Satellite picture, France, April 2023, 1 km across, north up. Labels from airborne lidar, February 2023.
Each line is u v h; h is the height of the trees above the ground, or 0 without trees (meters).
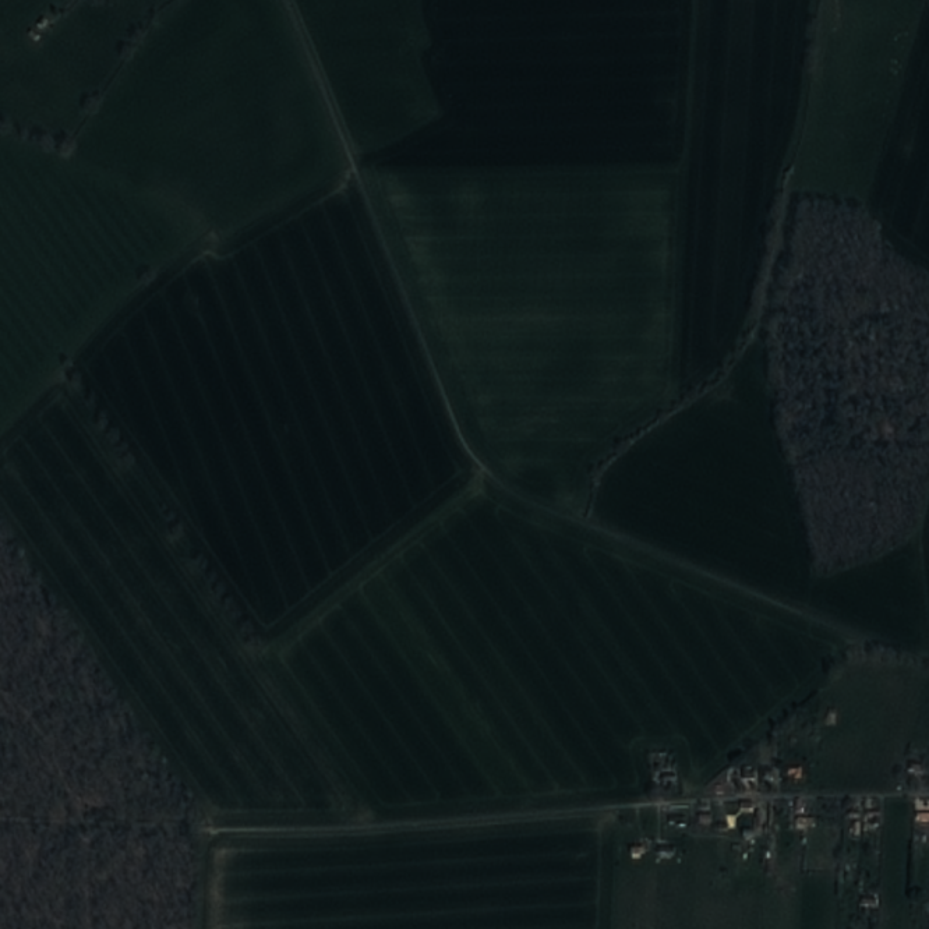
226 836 0
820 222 21
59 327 0
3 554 21
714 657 0
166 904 21
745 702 0
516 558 0
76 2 0
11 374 0
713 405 0
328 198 0
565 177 0
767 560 0
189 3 0
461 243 0
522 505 0
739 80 0
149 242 0
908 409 15
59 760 25
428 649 0
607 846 0
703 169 0
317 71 0
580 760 0
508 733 0
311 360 0
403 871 0
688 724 0
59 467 0
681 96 0
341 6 0
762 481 0
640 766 0
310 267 0
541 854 0
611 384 0
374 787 0
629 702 0
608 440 0
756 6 0
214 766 0
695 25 0
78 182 0
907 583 0
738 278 0
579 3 0
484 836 0
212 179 0
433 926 0
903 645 0
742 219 0
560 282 0
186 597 0
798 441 20
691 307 0
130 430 0
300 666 0
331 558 0
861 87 0
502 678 0
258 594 0
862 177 0
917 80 0
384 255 0
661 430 0
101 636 0
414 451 0
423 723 0
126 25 0
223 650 0
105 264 0
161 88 0
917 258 0
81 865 19
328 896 0
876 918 10
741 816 0
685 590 0
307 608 0
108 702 20
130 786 19
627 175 0
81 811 20
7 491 0
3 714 26
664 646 0
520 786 0
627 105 0
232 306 0
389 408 0
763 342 13
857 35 0
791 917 0
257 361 0
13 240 0
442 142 0
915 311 17
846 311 23
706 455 0
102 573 0
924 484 20
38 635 24
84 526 0
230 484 0
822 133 0
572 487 0
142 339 0
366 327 0
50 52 0
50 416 0
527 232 0
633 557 0
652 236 0
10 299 0
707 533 0
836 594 0
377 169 0
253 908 0
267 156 0
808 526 19
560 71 0
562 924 0
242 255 0
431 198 0
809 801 0
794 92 0
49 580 0
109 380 0
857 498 20
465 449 0
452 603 0
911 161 0
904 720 0
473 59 0
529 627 0
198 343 0
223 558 0
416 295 0
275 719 0
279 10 0
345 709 0
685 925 0
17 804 19
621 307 0
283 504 0
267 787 0
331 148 0
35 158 0
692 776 0
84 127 0
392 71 0
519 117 0
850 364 20
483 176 0
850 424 14
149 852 23
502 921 0
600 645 0
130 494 0
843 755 0
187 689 0
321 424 0
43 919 22
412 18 0
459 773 0
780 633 0
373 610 0
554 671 0
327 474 0
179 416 0
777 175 0
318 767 0
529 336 0
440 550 0
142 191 0
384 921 0
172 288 0
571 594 0
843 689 0
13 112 0
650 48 0
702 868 0
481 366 0
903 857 0
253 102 0
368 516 0
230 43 0
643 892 0
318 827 0
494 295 0
